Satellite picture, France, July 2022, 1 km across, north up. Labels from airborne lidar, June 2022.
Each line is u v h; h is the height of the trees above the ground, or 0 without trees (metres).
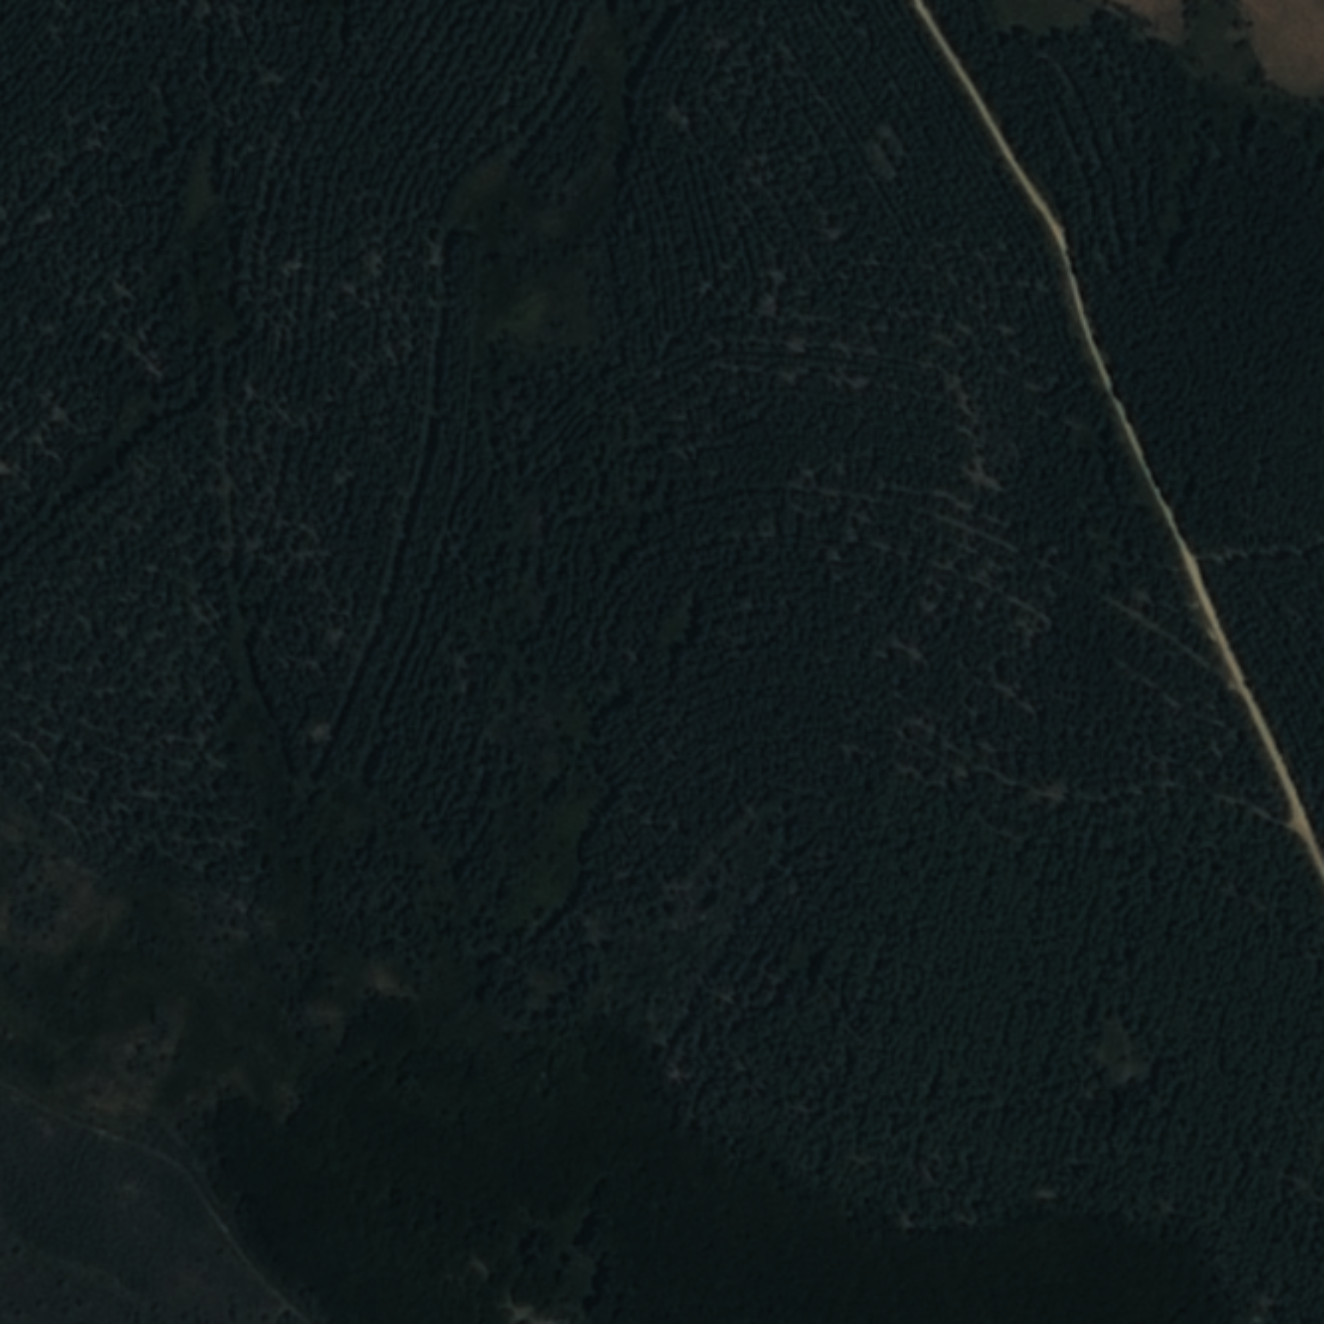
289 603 20
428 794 19
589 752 14
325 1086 8
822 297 17
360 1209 13
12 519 15
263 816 7
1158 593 19
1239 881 22
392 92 18
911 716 19
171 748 16
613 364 11
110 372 20
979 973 23
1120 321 23
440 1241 10
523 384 17
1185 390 24
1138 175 18
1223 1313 14
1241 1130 20
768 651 20
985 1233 14
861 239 19
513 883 11
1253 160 20
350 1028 7
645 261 21
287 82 9
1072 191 18
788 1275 12
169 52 22
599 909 18
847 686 19
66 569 16
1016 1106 21
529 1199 18
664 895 20
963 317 15
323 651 17
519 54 15
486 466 23
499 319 0
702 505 21
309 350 10
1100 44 8
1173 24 0
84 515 13
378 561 19
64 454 17
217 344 9
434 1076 13
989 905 22
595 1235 26
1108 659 18
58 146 17
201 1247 0
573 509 19
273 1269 8
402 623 18
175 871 22
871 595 15
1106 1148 22
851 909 22
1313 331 21
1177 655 20
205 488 18
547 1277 13
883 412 17
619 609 19
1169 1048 16
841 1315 10
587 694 23
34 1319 0
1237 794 13
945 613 15
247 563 21
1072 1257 13
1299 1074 23
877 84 16
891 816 20
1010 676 20
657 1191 16
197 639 14
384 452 15
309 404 16
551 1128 16
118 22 14
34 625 9
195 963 0
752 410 20
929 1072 22
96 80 22
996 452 11
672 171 20
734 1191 12
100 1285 0
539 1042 9
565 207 11
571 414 19
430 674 19
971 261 15
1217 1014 24
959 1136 20
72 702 14
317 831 11
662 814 22
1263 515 17
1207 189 23
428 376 21
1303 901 23
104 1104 0
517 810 12
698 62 19
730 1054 22
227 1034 0
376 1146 11
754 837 8
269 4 13
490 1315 10
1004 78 22
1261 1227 20
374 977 0
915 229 18
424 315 16
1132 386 23
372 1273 10
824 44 18
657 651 24
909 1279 15
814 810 20
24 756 15
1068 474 23
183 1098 0
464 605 21
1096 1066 19
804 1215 14
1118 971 24
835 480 14
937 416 14
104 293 14
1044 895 22
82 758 14
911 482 16
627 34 10
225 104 21
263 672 21
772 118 15
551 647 16
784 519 18
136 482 12
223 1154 12
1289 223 21
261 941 12
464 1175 15
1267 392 22
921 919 20
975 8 20
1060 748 24
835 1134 20
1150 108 18
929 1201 18
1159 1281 14
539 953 19
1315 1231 19
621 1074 11
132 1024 0
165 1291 0
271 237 12
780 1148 18
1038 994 22
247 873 13
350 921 12
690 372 17
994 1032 22
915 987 18
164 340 20
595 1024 10
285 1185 15
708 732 23
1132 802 21
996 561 8
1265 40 0
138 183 21
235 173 18
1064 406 21
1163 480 25
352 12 12
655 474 12
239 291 17
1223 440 25
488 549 16
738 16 13
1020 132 26
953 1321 9
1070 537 19
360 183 15
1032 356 19
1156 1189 26
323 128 19
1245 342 21
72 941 0
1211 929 22
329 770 20
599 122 25
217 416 15
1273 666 18
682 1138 12
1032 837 17
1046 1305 6
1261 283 16
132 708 14
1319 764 13
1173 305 25
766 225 17
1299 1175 21
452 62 19
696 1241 12
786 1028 22
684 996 7
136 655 15
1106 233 24
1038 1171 23
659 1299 14
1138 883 23
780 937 21
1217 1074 22
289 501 10
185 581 13
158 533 13
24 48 18
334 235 20
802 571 17
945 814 21
